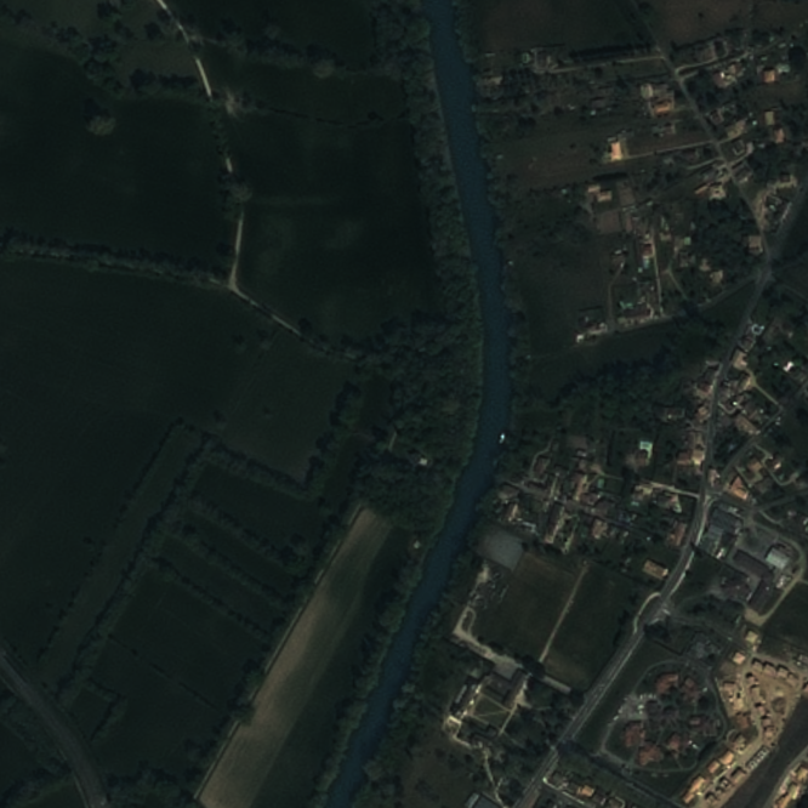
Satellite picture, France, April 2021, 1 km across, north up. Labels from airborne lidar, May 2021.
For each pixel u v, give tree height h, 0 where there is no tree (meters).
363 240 0
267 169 0
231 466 17
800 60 15
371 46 0
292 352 0
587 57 10
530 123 10
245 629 7
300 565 21
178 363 0
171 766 0
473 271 18
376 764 30
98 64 16
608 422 12
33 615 0
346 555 0
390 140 0
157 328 0
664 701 12
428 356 20
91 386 0
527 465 8
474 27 8
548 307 0
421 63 29
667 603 0
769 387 6
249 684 15
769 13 0
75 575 0
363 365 13
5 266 0
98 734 8
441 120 16
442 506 17
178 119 0
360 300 0
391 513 23
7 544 0
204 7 0
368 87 0
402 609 17
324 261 0
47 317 0
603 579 0
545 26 0
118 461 0
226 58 0
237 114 0
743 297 0
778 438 12
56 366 0
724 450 7
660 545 14
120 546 0
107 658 0
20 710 14
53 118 0
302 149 0
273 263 0
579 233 13
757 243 0
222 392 0
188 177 0
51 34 12
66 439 0
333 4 0
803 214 0
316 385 0
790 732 0
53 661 0
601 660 0
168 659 0
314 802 12
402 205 0
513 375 13
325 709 0
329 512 11
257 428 0
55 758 10
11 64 0
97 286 0
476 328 21
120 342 0
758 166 8
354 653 0
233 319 0
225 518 15
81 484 0
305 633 0
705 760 9
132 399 0
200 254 0
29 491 0
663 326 0
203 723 0
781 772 0
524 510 9
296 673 0
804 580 0
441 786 0
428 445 7
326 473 19
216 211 0
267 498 0
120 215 0
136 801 14
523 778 16
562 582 0
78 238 0
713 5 0
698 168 0
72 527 0
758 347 6
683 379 18
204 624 0
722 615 9
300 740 0
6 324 0
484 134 8
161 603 0
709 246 14
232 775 0
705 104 10
